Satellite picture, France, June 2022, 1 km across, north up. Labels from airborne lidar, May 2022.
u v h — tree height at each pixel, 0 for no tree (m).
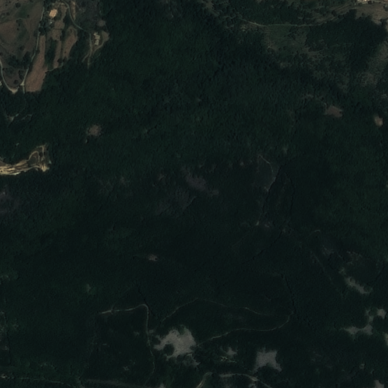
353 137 15
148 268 18
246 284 15
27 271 17
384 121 9
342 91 8
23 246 15
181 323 8
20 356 13
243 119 6
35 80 0
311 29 11
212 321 6
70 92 15
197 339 10
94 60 6
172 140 14
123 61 13
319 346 6
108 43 10
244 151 13
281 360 8
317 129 12
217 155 14
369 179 12
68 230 12
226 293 11
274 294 13
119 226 19
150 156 11
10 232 13
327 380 6
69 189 7
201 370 25
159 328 8
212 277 16
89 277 20
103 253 15
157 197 13
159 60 11
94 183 9
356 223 12
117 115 13
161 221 9
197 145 11
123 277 19
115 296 16
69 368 12
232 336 9
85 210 12
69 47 0
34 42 0
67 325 13
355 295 17
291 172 18
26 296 15
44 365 9
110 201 13
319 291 19
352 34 11
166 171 10
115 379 6
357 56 9
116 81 16
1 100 10
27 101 9
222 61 23
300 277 21
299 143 13
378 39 11
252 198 10
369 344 16
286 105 13
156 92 14
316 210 15
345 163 17
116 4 14
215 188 8
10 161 10
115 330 6
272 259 18
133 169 10
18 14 0
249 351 9
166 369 15
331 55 7
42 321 15
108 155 13
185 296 6
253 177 10
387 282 13
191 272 16
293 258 18
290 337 6
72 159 17
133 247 20
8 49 0
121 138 14
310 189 15
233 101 14
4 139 14
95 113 13
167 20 13
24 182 11
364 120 15
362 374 12
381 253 12
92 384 19
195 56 19
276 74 9
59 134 14
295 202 13
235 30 8
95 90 13
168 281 18
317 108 11
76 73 10
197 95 14
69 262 19
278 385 11
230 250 10
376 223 17
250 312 6
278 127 6
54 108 13
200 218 10
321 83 11
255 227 7
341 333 16
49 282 19
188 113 15
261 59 15
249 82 16
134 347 6
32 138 15
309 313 21
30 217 16
